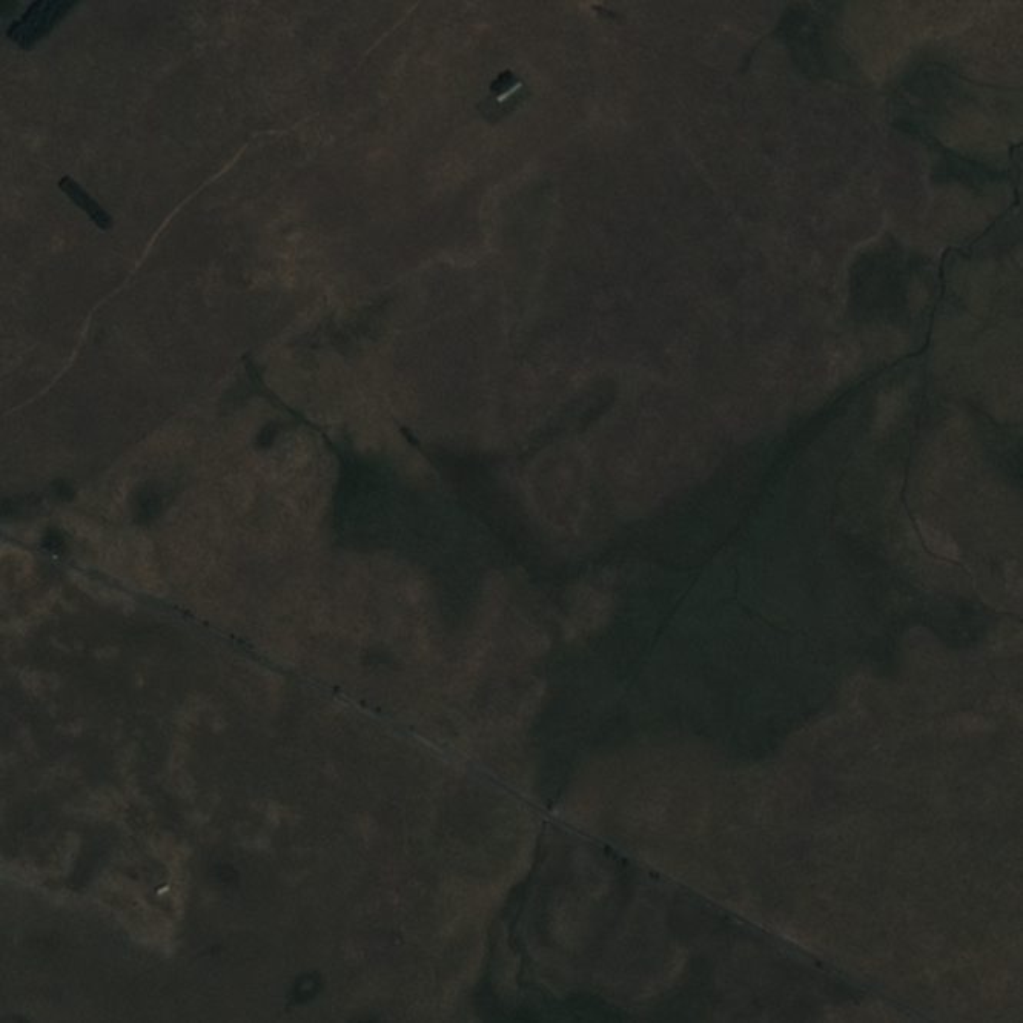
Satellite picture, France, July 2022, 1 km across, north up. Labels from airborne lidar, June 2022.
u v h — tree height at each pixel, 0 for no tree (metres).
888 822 0
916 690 0
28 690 0
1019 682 0
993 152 0
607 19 0
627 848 0
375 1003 0
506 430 0
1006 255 0
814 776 0
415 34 0
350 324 0
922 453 0
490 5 0
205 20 0
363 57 0
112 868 0
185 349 0
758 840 0
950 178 0
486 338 0
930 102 0
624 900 0
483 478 0
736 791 0
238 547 0
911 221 0
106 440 0
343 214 0
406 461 0
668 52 0
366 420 0
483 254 0
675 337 0
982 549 0
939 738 0
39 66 0
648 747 0
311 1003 0
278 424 0
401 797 0
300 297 0
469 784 0
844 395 0
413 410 0
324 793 0
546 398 0
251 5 0
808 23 0
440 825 0
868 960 0
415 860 0
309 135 0
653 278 0
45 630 0
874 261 0
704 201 0
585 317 0
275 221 0
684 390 0
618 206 0
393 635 0
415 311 0
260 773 0
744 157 0
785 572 0
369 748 0
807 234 0
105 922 0
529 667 0
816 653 0
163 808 0
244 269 0
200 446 0
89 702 0
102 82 0
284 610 0
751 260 0
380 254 0
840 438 0
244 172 0
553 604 0
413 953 0
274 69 0
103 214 12
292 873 0
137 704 0
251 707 0
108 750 0
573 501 0
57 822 0
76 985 0
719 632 0
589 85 0
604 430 0
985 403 0
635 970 0
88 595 0
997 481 0
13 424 0
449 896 0
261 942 0
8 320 0
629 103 0
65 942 0
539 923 0
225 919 0
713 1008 0
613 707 0
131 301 0
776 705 0
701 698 0
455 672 0
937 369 0
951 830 0
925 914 0
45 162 0
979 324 0
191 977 0
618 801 0
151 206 0
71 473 0
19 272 0
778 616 0
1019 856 0
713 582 0
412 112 0
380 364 0
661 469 0
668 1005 0
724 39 0
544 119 0
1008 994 0
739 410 0
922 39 0
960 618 0
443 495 0
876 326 0
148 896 0
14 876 0
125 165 0
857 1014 0
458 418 0
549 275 0
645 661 0
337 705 0
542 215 0
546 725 0
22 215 0
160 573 0
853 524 0
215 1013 0
